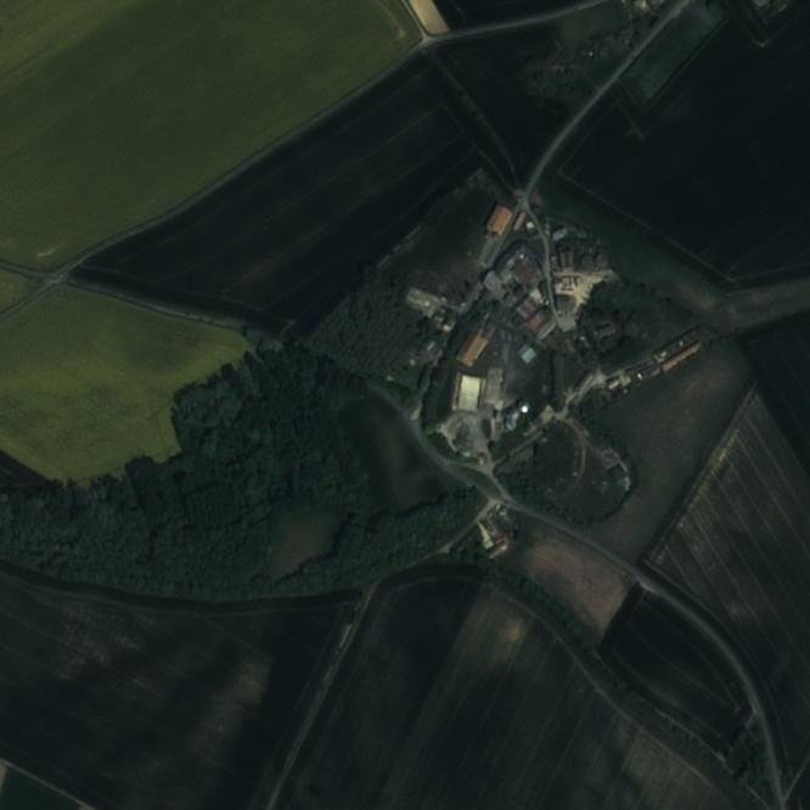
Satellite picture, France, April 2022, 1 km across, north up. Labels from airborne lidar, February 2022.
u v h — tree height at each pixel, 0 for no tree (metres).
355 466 25
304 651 0
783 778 0
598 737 0
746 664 0
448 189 0
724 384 0
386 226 0
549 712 0
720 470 0
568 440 0
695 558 0
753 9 0
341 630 0
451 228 0
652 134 0
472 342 0
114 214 0
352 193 0
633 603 0
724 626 0
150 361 0
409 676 0
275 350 16
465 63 0
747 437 0
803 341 0
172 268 0
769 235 0
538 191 0
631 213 0
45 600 0
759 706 0
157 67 0
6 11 0
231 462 8
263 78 0
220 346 0
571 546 0
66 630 0
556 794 0
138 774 0
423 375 6
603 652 0
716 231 0
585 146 0
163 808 0
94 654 0
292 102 0
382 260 0
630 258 0
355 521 18
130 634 0
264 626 0
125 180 0
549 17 0
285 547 0
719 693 0
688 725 0
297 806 0
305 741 0
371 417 0
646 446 0
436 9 0
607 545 0
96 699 0
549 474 0
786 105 0
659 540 0
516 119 0
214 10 0
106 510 23
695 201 0
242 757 0
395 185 0
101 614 0
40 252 0
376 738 0
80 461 0
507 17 0
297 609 0
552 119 0
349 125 0
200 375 0
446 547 0
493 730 0
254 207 0
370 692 0
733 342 0
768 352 0
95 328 0
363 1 0
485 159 0
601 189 0
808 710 0
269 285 0
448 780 0
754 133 0
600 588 0
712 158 0
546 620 0
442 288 0
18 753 0
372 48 0
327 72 0
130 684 0
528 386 0
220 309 0
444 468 0
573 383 0
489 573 13
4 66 0
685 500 0
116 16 0
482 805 0
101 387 0
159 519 37
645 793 0
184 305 0
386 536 28
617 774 0
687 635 0
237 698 0
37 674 0
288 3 0
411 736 0
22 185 0
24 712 0
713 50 0
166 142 0
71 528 27
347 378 19
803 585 0
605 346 8
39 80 0
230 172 0
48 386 0
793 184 0
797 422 0
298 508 30
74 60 0
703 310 0
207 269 0
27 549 9
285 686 0
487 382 0
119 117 0
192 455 10
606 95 0
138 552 20
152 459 0
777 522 0
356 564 17
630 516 0
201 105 0
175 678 0
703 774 0
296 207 0
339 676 0
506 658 0
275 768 0
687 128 0
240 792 0
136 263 0
